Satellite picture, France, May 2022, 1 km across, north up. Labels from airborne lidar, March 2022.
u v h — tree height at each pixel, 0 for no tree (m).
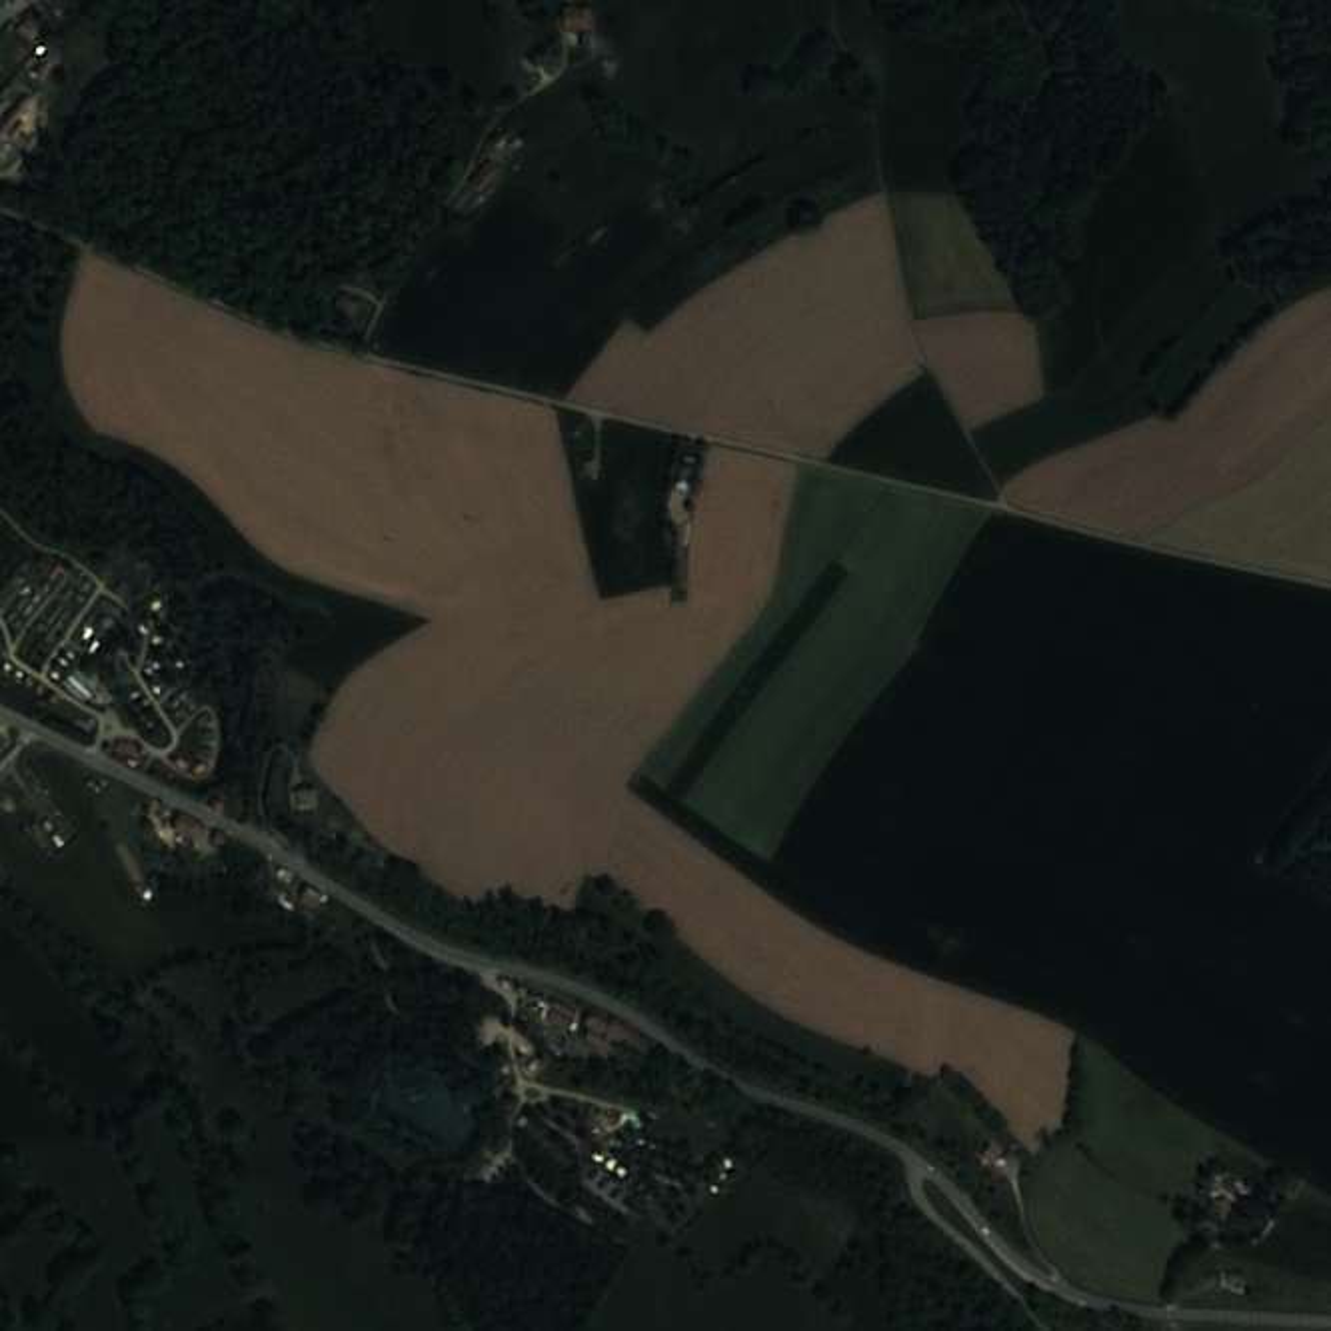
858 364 0
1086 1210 0
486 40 0
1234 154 0
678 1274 0
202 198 24
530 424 0
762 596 0
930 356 0
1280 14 26
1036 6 30
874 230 0
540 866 0
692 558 0
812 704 0
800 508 0
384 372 0
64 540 19
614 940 18
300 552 0
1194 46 0
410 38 0
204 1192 9
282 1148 0
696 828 0
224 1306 0
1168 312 0
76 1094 0
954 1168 7
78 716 0
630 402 0
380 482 0
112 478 23
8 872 0
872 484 0
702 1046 13
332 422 0
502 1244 17
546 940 17
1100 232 0
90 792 0
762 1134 16
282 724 0
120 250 16
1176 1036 0
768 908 0
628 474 0
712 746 0
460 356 0
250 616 25
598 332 0
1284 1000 0
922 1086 0
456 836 0
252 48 23
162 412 0
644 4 0
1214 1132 0
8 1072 0
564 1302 14
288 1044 17
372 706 0
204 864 0
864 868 0
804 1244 0
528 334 0
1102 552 0
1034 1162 0
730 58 0
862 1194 14
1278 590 0
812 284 0
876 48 0
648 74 0
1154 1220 0
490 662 0
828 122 0
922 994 0
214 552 22
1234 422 0
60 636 7
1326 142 28
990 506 0
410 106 27
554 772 0
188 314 0
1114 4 18
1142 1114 0
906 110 0
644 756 0
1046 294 25
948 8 25
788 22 0
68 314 0
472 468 0
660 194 0
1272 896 0
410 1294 0
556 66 0
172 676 11
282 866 0
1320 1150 0
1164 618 0
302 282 23
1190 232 0
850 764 0
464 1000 18
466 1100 22
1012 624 0
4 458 18
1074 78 24
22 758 0
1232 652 0
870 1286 0
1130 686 0
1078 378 0
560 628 0
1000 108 23
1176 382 0
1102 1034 0
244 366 0
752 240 0
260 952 8
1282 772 0
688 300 0
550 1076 0
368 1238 0
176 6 12
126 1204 0
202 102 23
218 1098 0
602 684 0
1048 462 0
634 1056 18
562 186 15
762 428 0
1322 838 21
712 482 0
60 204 15
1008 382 0
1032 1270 0
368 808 0
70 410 0
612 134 14
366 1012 11
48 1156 0
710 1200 0
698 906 0
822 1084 8
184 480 0
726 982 0
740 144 0
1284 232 14
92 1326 0
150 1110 15
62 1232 19
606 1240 13
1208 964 0
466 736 0
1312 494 0
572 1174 6
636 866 0
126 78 20
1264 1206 18
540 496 0
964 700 0
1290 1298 0
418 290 0
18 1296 0
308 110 17
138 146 24
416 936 0
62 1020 0
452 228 12
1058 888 0
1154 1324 0
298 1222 0
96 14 21
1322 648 0
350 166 23
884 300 0
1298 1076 0
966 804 0
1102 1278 0
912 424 0
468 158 0
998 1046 0
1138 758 0
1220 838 0
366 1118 19
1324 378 0
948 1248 10
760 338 0
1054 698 0
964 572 0
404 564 0
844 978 0
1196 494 0
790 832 0
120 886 0
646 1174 10
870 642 0
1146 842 0
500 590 0
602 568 0
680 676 0
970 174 22
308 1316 0
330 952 8
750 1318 0
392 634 0
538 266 0
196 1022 15
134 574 0
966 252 0
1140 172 0
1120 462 0
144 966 0
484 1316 12
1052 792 0
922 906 0
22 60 0
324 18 11
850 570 0
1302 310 0
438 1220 16
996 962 0
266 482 0
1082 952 0
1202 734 0
